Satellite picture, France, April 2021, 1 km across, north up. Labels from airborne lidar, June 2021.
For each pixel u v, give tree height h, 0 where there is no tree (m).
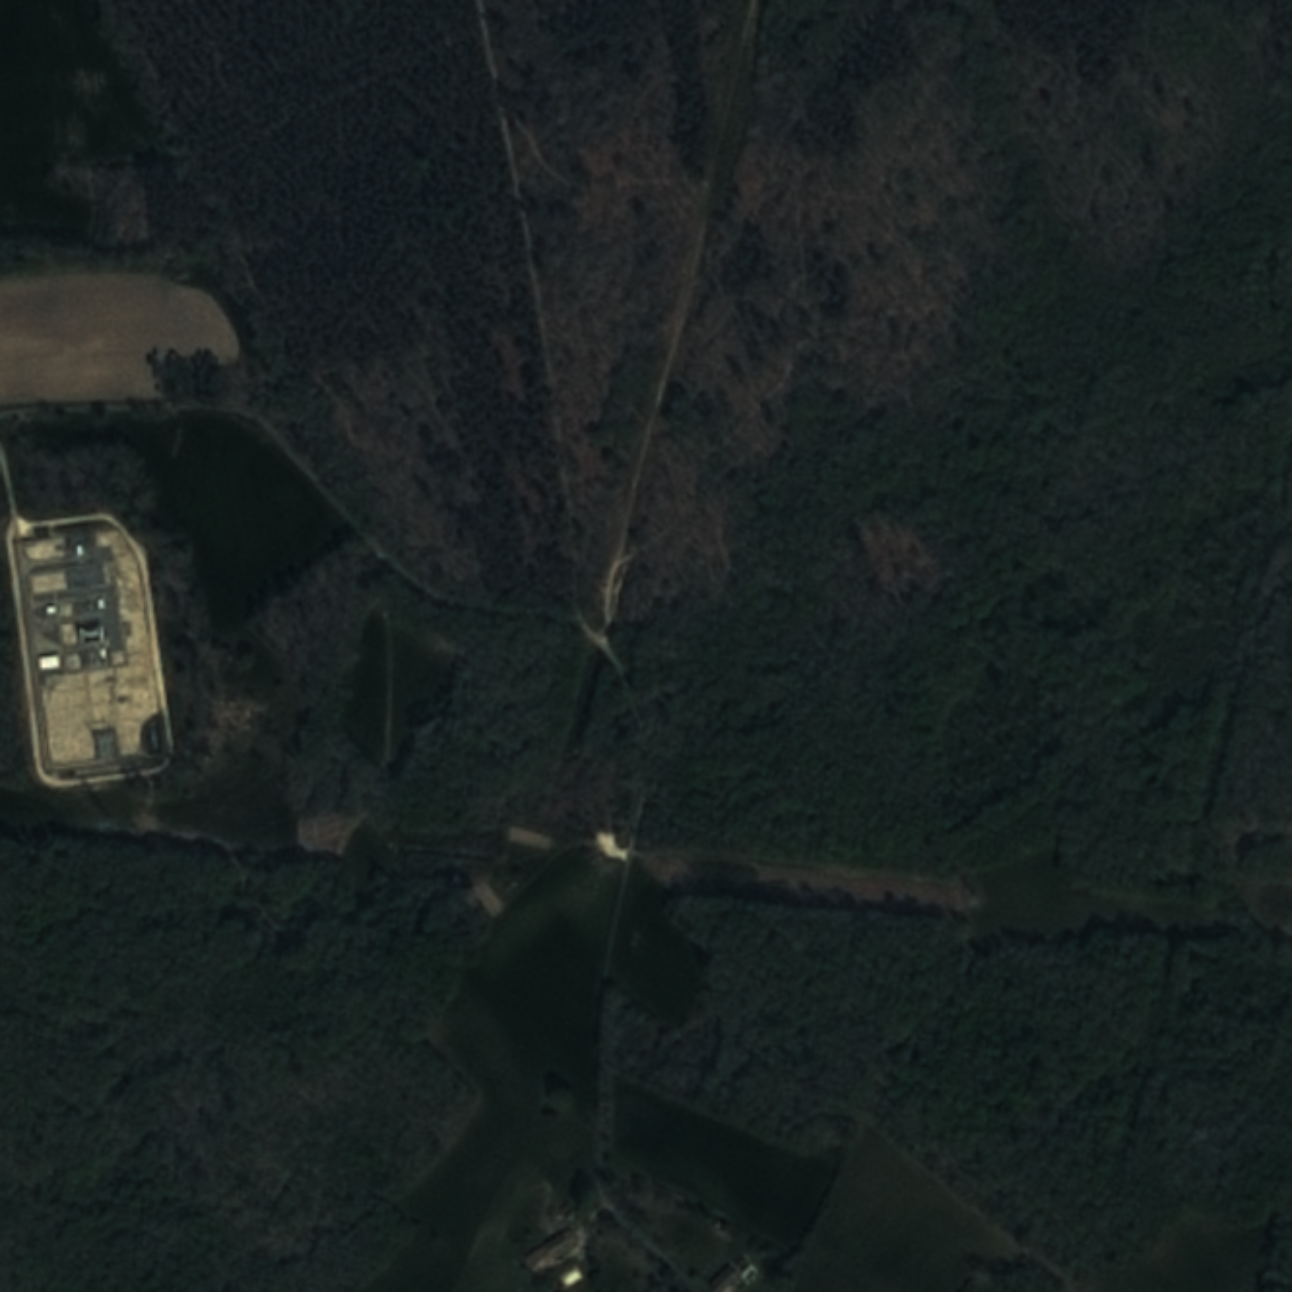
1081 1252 15
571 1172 0
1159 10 18
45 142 0
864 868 15
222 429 0
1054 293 19
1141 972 27
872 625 15
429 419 13
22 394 0
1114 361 18
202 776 14
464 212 11
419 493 11
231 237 17
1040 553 19
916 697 18
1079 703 24
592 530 10
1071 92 11
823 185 12
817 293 9
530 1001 0
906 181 12
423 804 21
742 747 16
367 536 15
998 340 16
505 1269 0
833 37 18
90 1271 19
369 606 19
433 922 21
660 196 8
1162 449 19
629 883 0
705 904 26
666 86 8
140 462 19
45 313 0
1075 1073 18
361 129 19
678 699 17
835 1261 0
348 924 25
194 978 17
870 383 13
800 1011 19
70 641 0
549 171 10
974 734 9
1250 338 18
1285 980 15
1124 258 11
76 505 20
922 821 21
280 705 0
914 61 21
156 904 20
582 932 0
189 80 16
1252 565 12
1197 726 21
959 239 18
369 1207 21
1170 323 17
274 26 17
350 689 21
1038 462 22
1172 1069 26
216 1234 18
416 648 0
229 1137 23
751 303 14
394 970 24
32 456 18
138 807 0
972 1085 21
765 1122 18
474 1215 0
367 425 6
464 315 18
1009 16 20
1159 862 27
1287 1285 15
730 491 15
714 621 18
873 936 19
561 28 16
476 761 20
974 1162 10
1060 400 20
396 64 22
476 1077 0
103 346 0
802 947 24
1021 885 0
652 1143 0
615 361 10
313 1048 18
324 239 15
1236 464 18
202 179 10
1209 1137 23
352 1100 14
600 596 10
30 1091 20
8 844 21
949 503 16
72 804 0
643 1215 12
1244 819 16
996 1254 0
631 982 0
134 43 16
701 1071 9
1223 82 16
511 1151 0
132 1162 14
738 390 13
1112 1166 20
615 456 13
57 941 20
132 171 8
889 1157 0
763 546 13
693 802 17
